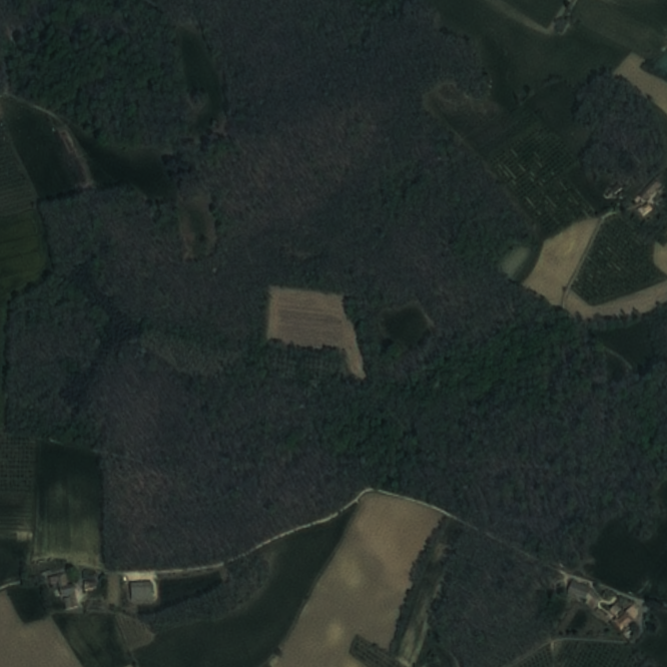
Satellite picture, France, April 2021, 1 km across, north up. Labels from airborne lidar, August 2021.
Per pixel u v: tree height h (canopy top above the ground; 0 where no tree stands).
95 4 26
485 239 24
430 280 14
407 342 0
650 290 0
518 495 23
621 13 0
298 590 0
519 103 21
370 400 25
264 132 19
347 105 14
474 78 20
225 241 13
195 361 41
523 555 16
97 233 18
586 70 0
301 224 13
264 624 0
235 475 19
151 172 0
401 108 14
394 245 15
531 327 25
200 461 17
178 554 15
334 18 21
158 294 22
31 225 0
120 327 19
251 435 19
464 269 19
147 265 17
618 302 0
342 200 15
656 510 21
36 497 0
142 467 14
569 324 24
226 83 13
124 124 25
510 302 22
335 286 20
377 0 15
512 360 27
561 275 0
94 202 19
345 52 19
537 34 0
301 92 16
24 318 16
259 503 15
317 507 11
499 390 26
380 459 24
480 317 19
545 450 22
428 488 19
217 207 20
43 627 0
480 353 24
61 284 18
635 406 27
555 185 7
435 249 20
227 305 15
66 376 23
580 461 20
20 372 22
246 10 14
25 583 13
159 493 10
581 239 0
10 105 0
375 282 17
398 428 26
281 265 17
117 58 20
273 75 13
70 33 14
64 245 21
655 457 18
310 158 14
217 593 18
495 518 19
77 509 0
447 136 19
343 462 24
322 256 13
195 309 19
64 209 20
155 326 26
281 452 19
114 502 16
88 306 18
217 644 0
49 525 0
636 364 0
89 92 15
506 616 19
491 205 19
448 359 23
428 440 26
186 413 23
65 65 17
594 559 0
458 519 17
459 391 30
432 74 16
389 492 9
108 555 16
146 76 25
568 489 18
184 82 8
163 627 24
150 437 19
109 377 15
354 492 19
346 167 17
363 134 13
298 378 23
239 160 12
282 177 11
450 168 19
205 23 21
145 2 21
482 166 15
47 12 19
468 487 18
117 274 17
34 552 0
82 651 0
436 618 24
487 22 0
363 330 22
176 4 16
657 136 21
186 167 20
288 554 0
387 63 16
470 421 24
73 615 0
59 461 0
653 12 0
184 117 21
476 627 18
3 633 0
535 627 16
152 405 14
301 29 22
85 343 20
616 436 25
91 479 0
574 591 0
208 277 14
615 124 24
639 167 23
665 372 23
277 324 0
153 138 19
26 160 0
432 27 18
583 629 0
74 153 0
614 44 0
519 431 19
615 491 16
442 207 24
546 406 24
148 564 14
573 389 22
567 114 0
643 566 0
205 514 19
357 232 16
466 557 22
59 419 22
